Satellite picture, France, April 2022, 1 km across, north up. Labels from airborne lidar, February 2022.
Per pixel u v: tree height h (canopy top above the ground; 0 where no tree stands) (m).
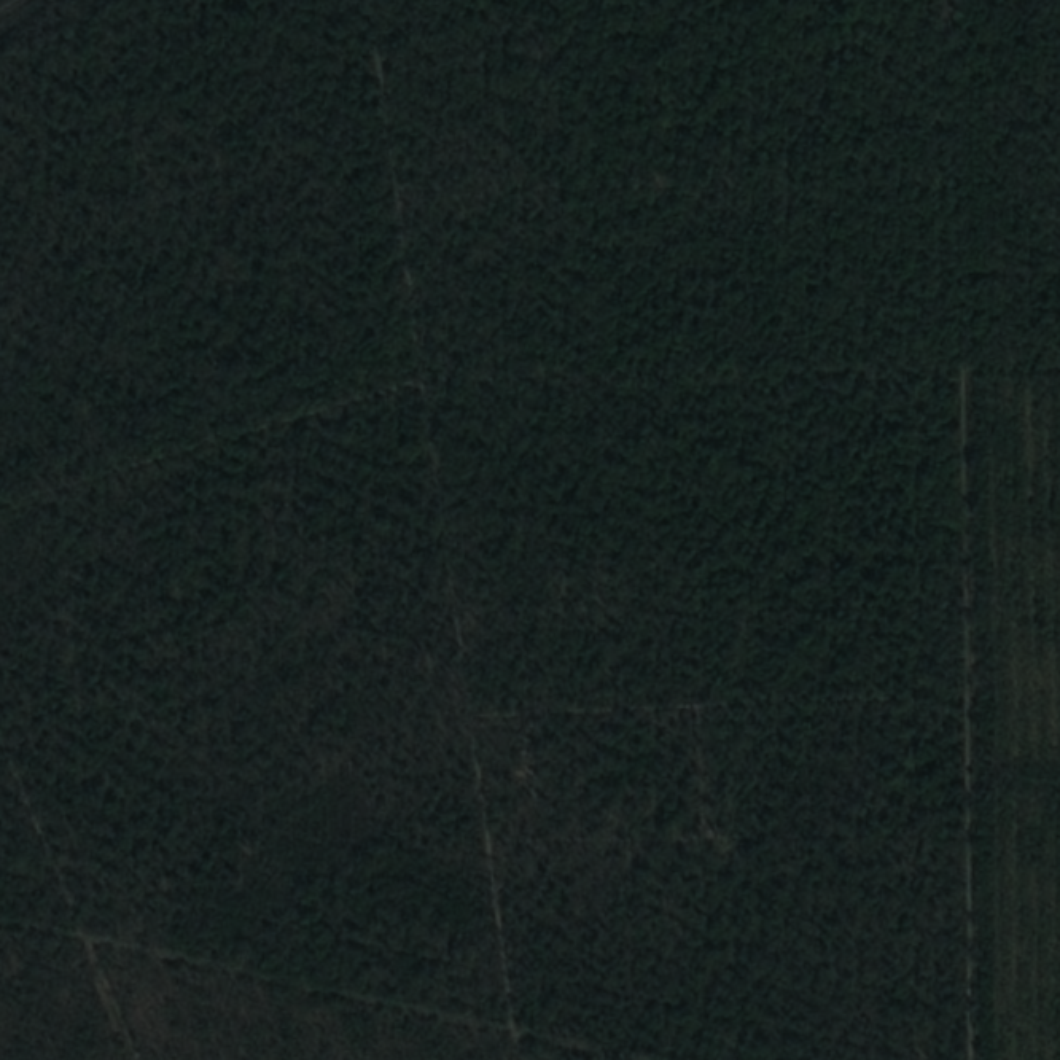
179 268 20
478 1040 13
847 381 19
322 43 19
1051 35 17
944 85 17
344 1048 16
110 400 18
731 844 18
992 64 18
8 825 17
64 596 8
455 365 15
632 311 17
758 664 10
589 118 24
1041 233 21
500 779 18
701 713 18
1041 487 12
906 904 19
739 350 17
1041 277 18
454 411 20
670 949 17
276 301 20
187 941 14
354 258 19
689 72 22
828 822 13
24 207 17
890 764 18
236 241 20
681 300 14
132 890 19
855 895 20
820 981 18
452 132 18
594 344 18
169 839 22
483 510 20
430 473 22
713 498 17
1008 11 19
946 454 20
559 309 14
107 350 19
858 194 17
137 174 19
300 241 20
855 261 17
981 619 14
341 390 19
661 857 21
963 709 18
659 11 19
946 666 21
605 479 22
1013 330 17
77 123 19
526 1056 16
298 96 15
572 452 21
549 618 23
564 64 18
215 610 20
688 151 20
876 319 17
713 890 21
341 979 17
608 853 22
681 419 21
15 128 19
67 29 18
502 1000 17
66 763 20
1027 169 19
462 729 22
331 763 18
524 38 19
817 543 25
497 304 15
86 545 15
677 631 9
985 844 15
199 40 20
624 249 17
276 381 22
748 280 15
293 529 20
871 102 19
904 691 21
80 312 18
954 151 19
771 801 10
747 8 22
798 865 19
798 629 14
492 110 17
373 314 20
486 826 17
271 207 17
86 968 10
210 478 18
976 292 17
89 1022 10
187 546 23
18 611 9
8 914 14
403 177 19
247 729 20
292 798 8
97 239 18
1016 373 13
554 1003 17
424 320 17
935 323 17
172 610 20
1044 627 14
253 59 20
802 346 15
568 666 18
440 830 18
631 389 20
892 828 15
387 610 22
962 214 16
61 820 20
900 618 20
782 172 22
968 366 14
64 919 13
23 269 15
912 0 15
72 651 19
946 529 20
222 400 23
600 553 18
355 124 24
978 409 11
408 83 16
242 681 21
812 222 15
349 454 18
